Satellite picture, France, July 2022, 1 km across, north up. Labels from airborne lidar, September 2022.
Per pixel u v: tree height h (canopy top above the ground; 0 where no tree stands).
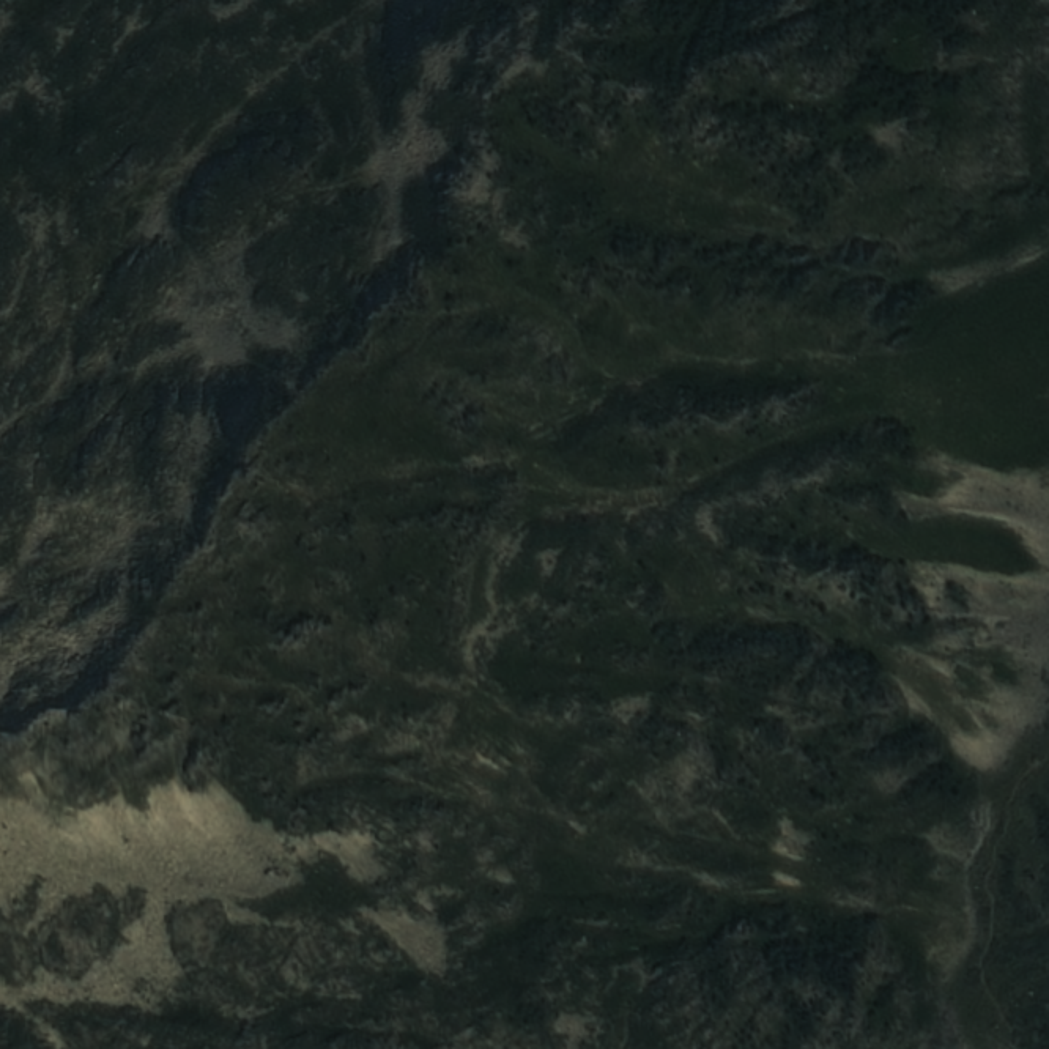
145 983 0
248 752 0
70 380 0
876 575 10
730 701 0
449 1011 0
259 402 10
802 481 0
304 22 0
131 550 0
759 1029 7
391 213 0
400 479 0
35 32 0
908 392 0
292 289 0
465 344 0
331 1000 0
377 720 0
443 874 0
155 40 0
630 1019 0
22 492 0
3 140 0
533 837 0
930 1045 0
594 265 12
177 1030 0
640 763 0
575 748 0
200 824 0
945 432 0
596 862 0
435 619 0
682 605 0
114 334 0
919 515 0
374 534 0
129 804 0
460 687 0
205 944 0
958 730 0
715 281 0
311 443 0
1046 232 0
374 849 0
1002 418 0
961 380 0
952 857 0
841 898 0
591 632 0
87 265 0
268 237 0
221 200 0
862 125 0
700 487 0
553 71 0
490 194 0
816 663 7
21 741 0
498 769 0
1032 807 0
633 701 0
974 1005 0
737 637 9
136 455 0
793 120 9
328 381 0
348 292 0
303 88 0
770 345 0
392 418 0
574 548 0
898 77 6
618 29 7
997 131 17
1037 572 0
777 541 12
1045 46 0
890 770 0
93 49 0
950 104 0
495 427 0
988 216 6
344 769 0
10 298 0
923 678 0
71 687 0
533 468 0
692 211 0
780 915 7
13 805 0
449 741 0
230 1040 0
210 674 0
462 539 6
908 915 0
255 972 0
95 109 0
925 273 0
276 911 0
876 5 6
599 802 0
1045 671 0
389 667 0
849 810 0
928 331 0
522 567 0
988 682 0
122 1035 0
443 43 0
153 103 0
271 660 0
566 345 0
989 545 0
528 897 0
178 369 0
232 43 0
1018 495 0
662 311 0
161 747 0
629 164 0
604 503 0
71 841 0
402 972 0
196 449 0
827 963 18
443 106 0
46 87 0
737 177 0
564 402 0
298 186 0
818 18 7
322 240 0
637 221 0
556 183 0
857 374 0
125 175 0
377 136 0
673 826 0
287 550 0
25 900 0
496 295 0
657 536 0
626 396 0
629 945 0
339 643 0
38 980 0
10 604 0
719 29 7
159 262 0
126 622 0
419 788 0
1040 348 0
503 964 0
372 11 0
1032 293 0
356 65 0
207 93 0
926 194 6
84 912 0
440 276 0
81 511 0
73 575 0
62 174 0
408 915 0
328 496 0
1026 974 0
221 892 0
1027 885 0
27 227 0
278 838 0
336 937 0
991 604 0
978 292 0
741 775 9
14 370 0
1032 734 0
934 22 9
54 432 0
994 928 0
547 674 0
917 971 0
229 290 0
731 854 0
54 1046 0
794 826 0
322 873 0
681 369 0
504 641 0
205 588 0
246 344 0
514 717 0
